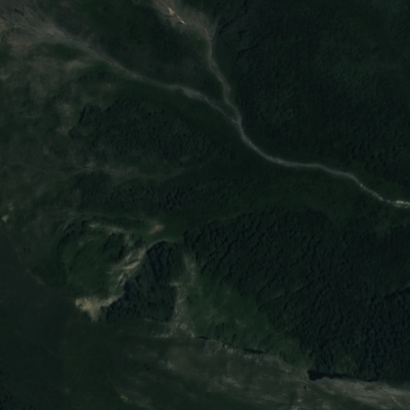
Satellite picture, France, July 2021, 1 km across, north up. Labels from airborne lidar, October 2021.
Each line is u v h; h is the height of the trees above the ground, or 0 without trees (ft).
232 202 67
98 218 51
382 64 27
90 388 0
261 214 18
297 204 17
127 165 22
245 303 0
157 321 31
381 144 88
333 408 0
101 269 26
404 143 82
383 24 22
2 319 0
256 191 20
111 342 0
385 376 49
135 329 0
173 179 18
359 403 0
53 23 0
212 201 28
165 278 38
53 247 0
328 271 67
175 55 27
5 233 0
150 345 0
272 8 38
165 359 0
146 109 51
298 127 70
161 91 0
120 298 0
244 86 31
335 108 38
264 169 17
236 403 0
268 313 28
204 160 61
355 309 71
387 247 55
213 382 0
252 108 29
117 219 25
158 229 0
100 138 37
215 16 22
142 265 0
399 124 81
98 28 0
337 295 49
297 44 44
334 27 33
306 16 28
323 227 40
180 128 48
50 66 0
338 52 37
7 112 0
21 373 0
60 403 0
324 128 41
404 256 48
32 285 0
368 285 82
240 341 0
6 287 0
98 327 0
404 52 25
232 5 30
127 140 35
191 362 0
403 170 97
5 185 0
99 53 0
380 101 60
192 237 102
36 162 0
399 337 88
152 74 24
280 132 90
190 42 22
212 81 34
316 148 55
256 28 34
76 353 0
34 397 0
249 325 0
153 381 0
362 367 42
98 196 47
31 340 0
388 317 51
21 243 0
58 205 26
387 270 75
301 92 47
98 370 0
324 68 33
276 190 19
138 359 0
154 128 22
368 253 74
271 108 40
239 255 90
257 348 0
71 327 0
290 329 20
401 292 101
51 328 0
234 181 54
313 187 21
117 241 55
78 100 29
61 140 0
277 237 79
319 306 73
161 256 51
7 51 0
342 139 82
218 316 0
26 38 0
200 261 67
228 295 0
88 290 0
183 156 58
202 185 26
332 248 70
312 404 0
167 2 0
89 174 25
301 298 44
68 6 0
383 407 0
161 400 0
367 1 31
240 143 19
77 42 0
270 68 35
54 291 0
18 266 0
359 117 87
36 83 0
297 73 61
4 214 0
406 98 39
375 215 24
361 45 36
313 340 73
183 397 0
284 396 0
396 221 28
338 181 21
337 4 23
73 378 0
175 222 0
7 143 0
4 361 0
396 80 43
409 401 0
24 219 29
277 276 52
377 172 57
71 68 0
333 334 44
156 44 21
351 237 51
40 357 0
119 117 31
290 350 0
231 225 27
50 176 0
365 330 46
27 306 0
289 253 94
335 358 54
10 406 61
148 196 32
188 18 0
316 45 30
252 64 44
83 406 0
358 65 30
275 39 52
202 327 0
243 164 18
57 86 0
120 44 21
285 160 22
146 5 0
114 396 0
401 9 19
